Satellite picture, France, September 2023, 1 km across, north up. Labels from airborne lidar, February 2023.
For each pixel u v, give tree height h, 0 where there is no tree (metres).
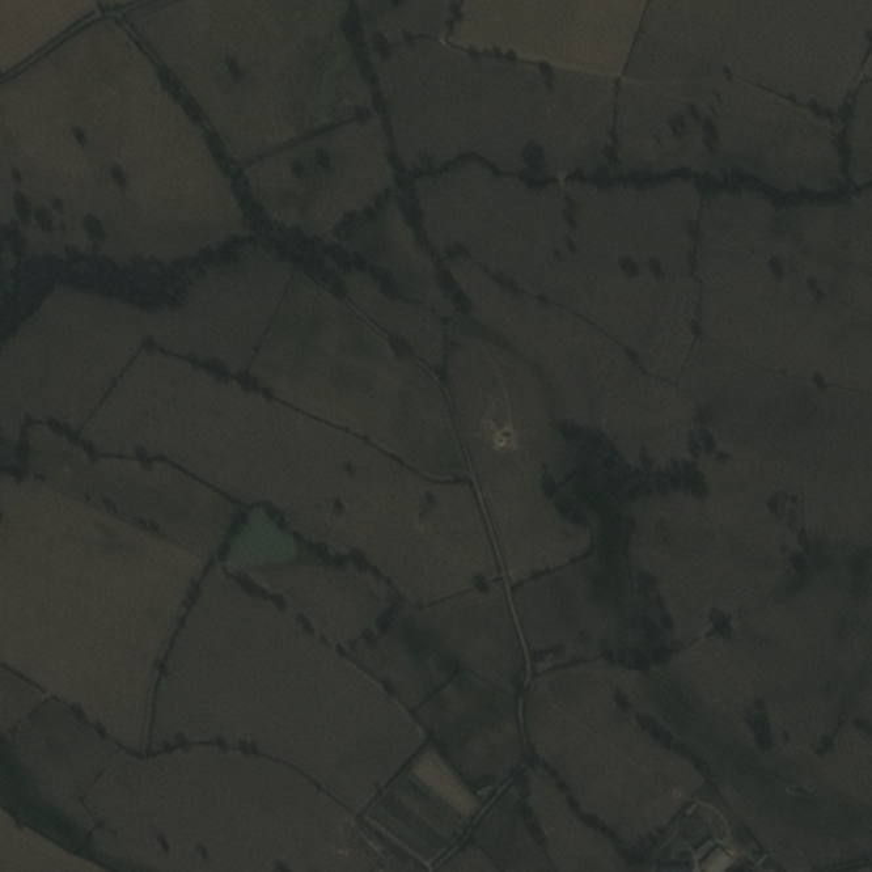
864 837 0
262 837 0
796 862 0
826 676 0
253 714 0
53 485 0
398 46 0
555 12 0
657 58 0
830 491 0
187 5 0
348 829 0
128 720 0
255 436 0
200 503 0
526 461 0
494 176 8
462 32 0
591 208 0
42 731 0
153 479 0
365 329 0
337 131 0
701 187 15
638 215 0
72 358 0
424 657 0
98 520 0
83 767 0
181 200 0
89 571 0
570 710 0
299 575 0
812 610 0
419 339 0
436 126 0
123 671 0
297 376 0
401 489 0
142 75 0
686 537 0
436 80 0
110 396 0
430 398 0
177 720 0
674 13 0
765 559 0
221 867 0
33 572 0
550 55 0
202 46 0
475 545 0
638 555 0
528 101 0
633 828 0
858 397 0
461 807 0
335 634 0
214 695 0
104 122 0
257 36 0
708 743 0
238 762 0
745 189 15
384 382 0
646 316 0
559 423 0
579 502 0
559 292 0
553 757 0
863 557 0
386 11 0
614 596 0
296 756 0
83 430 0
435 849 0
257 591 11
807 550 13
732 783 0
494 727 0
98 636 0
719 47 0
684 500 0
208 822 0
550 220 0
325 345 0
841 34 0
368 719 0
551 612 0
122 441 0
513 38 0
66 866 0
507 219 0
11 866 0
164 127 0
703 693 0
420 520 0
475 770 0
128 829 0
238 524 13
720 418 0
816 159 0
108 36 0
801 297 0
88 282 21
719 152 0
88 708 0
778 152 0
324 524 0
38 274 19
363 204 0
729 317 0
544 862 0
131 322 0
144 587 0
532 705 0
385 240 0
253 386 13
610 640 0
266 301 0
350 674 0
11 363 0
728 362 0
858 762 0
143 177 0
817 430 0
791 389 0
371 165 0
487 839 0
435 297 0
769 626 0
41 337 0
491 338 0
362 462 0
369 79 17
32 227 0
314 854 0
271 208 0
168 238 0
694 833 0
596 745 0
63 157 0
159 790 0
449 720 0
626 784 0
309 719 0
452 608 0
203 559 0
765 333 0
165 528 0
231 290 0
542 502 0
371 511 0
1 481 0
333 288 15
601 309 0
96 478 0
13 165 0
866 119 0
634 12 0
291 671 0
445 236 0
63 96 0
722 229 0
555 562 0
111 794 0
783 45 0
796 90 0
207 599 0
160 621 0
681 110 0
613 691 0
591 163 0
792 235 0
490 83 0
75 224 0
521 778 15
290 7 0
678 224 0
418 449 0
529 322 0
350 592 0
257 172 0
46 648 0
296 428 0
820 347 0
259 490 0
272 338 0
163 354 9
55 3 0
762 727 13
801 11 0
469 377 0
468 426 0
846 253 0
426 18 0
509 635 0
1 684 0
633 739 0
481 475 0
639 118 0
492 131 0
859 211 0
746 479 0
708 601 0
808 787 0
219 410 0
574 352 0
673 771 0
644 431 0
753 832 0
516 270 0
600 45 0
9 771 0
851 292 0
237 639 0
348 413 0
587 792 0
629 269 14
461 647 0
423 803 0
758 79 0
